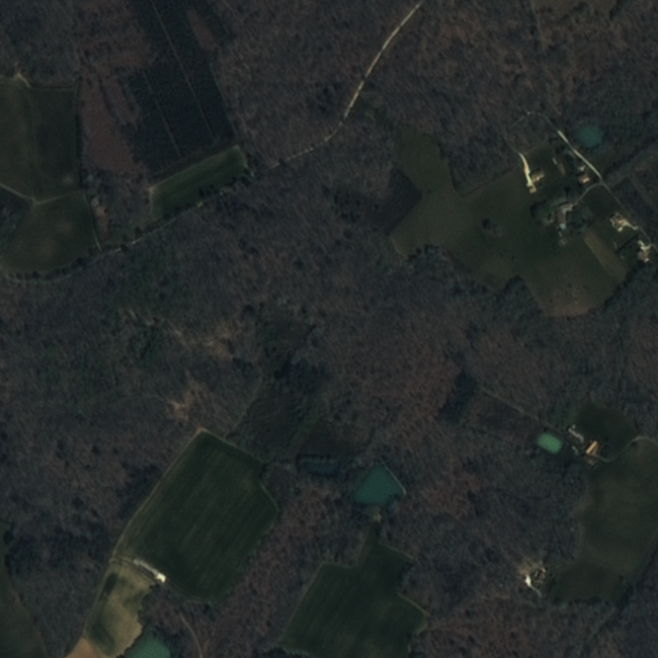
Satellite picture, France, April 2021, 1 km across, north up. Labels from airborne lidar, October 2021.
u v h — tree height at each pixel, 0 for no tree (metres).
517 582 23
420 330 19
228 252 15
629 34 17
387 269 17
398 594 0
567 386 16
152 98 12
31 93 0
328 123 18
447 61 18
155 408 21
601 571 0
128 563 0
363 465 11
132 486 17
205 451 0
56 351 22
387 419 8
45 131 0
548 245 0
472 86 12
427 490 21
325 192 16
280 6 11
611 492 0
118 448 11
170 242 17
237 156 0
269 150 14
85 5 0
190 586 0
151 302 21
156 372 17
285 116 13
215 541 0
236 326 15
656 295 21
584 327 21
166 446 15
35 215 0
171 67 10
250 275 16
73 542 23
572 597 0
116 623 0
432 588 19
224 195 5
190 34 10
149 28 8
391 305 21
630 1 17
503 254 0
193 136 14
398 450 12
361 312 16
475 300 21
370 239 20
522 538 19
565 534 25
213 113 15
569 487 23
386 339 8
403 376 8
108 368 19
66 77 17
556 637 23
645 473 0
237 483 0
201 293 21
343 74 9
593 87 11
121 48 0
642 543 0
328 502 10
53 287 20
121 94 0
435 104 18
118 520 13
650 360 17
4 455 14
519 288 20
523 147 21
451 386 10
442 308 21
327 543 16
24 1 21
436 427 14
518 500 22
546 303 0
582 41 12
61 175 0
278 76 13
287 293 14
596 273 0
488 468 19
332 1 8
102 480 13
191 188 0
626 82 12
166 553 0
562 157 10
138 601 0
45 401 12
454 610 17
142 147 11
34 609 17
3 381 13
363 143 16
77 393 23
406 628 0
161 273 22
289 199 17
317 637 0
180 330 20
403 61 16
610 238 0
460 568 17
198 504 0
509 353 17
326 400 21
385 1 17
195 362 16
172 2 13
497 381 14
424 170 0
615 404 10
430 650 12
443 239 0
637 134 10
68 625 19
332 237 12
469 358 20
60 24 17
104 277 20
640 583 7
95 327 16
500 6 19
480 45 14
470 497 9
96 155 0
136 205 13
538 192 0
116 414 20
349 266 21
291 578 10
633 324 21
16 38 19
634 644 22
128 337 23
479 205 0
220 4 16
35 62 17
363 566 0
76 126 0
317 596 0
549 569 18
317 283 18
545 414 15
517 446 7
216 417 20
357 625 0
